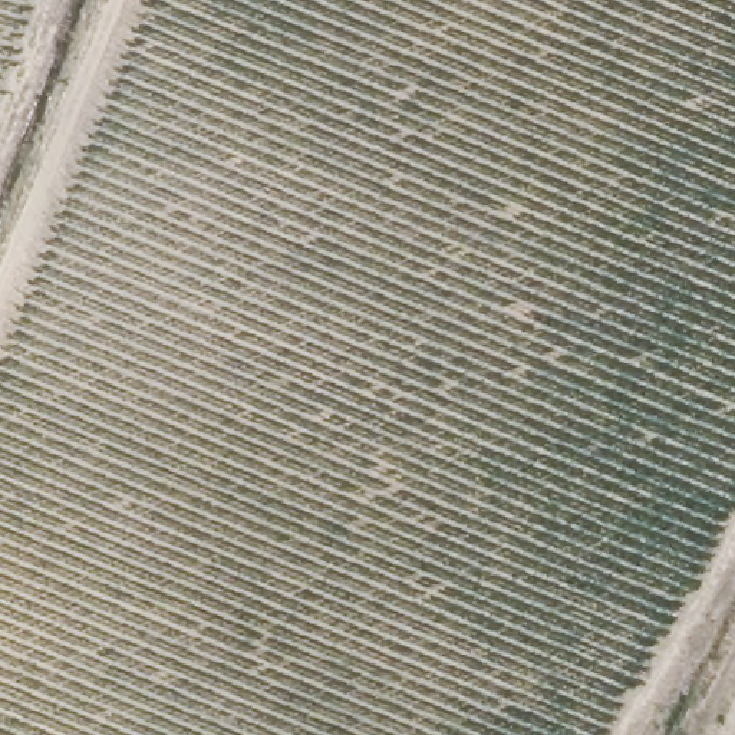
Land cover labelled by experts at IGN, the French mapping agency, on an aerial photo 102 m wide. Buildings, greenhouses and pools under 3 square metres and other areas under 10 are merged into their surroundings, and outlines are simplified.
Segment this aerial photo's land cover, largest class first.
<instances>
[{"label":"vineyard","instance_id":"1","mask_svg":"<svg viewBox=\"0 0 735 735\"><path fill-rule=\"evenodd\" d=\"M146 6L141 9L132 40H126V52L121 55L118 78L112 80V92L106 95L100 121H95V132L89 135L83 155L66 164L72 184L66 187V198L52 204V235L46 238L40 264H34L32 270L29 293L20 304V319H14V330L6 333L0 359V735H609L612 724L620 718L623 695L643 686V672H649L655 646L660 643V637L669 635L678 609H683V597L701 589L703 571L715 557L721 531L726 528V520L735 514V0H144Z\"/></svg>","mask_w":735,"mask_h":735},{"label":"plowed land","instance_id":"2","mask_svg":"<svg viewBox=\"0 0 735 735\"><path fill-rule=\"evenodd\" d=\"M146 6L144 0H0V359L6 333L14 330V319H20V304L29 293L32 270L34 264H40L46 238L52 235V204L66 198V187L72 184L66 164L83 155L89 135L95 132V121H100L106 95L112 92V80L118 78L121 55L126 52V40H132L141 9ZM735 597V514L726 520V528L721 531L715 557L703 571L701 589L683 597V609H678L669 635L660 637V643L655 646L649 672H643V686L623 695L620 718L612 724L609 735H663V724L669 718L672 703L678 701V695L686 692L701 657L709 655L721 617ZM712 683L706 695L698 698L680 721L686 735H735V626L726 635L721 660L709 666Z\"/></svg>","mask_w":735,"mask_h":735},{"label":"brushwood","instance_id":"3","mask_svg":"<svg viewBox=\"0 0 735 735\"><path fill-rule=\"evenodd\" d=\"M735 626V597L721 617L709 655L701 657L686 692L678 695V701L672 703L669 718L663 724V735H686L680 721L698 698L706 695L712 683L709 666L721 660L726 635Z\"/></svg>","mask_w":735,"mask_h":735}]
</instances>
